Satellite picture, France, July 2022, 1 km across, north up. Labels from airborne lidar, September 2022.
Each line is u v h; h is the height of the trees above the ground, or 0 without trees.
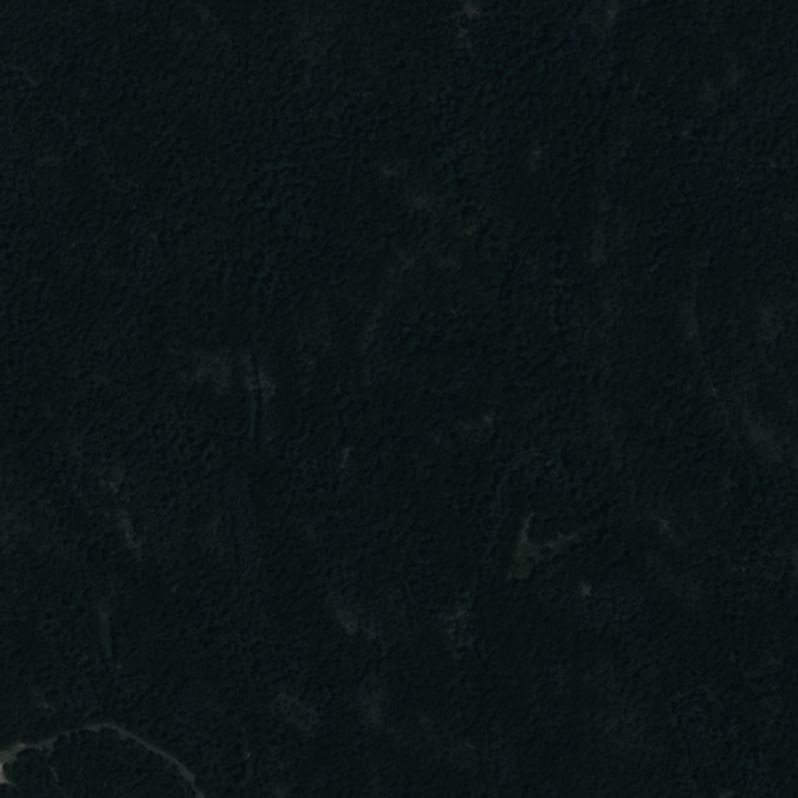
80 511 18
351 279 14
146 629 15
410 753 13
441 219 10
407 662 20
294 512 14
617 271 14
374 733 14
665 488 8
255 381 6
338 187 16
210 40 8
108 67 24
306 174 16
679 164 16
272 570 14
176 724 10
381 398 9
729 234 13
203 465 16
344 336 18
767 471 20
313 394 17
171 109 17
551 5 20
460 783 15
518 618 20
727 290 21
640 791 16
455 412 28
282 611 13
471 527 17
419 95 23
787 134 20
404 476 17
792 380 12
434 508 23
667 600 10
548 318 9
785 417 14
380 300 12
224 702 18
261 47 9
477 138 10
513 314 23
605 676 10
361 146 21
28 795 11
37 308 12
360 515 16
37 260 12
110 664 26
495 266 16
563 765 9
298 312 9
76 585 15
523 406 23
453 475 16
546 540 18
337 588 12
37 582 9
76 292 16
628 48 19
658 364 12
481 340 23
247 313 26
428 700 26
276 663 10
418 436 17
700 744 22
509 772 19
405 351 22
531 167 9
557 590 13
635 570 20
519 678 18
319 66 10
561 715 26
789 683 25
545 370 16
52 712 11
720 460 19
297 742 14
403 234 18
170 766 15
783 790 19
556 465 20
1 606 13
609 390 18
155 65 13
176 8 13
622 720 8
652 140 13
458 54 20
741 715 22
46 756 14
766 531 15
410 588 7
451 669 11
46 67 11
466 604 21
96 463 11
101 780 19
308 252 17
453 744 14
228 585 15
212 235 21
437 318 9
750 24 18
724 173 21
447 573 26
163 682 16
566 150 15
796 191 16
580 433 6
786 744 13
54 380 12
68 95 14
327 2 12
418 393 19
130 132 14
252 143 18
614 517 26
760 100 9
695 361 17
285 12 10
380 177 16
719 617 10
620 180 17
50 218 17
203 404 17
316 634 16
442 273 13
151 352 12
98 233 17
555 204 21
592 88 21
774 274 20
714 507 14
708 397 9
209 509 15
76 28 15
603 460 12
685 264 11
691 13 22
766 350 8
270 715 17
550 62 23
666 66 15
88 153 16
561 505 24
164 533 26
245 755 36
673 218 22
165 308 17
